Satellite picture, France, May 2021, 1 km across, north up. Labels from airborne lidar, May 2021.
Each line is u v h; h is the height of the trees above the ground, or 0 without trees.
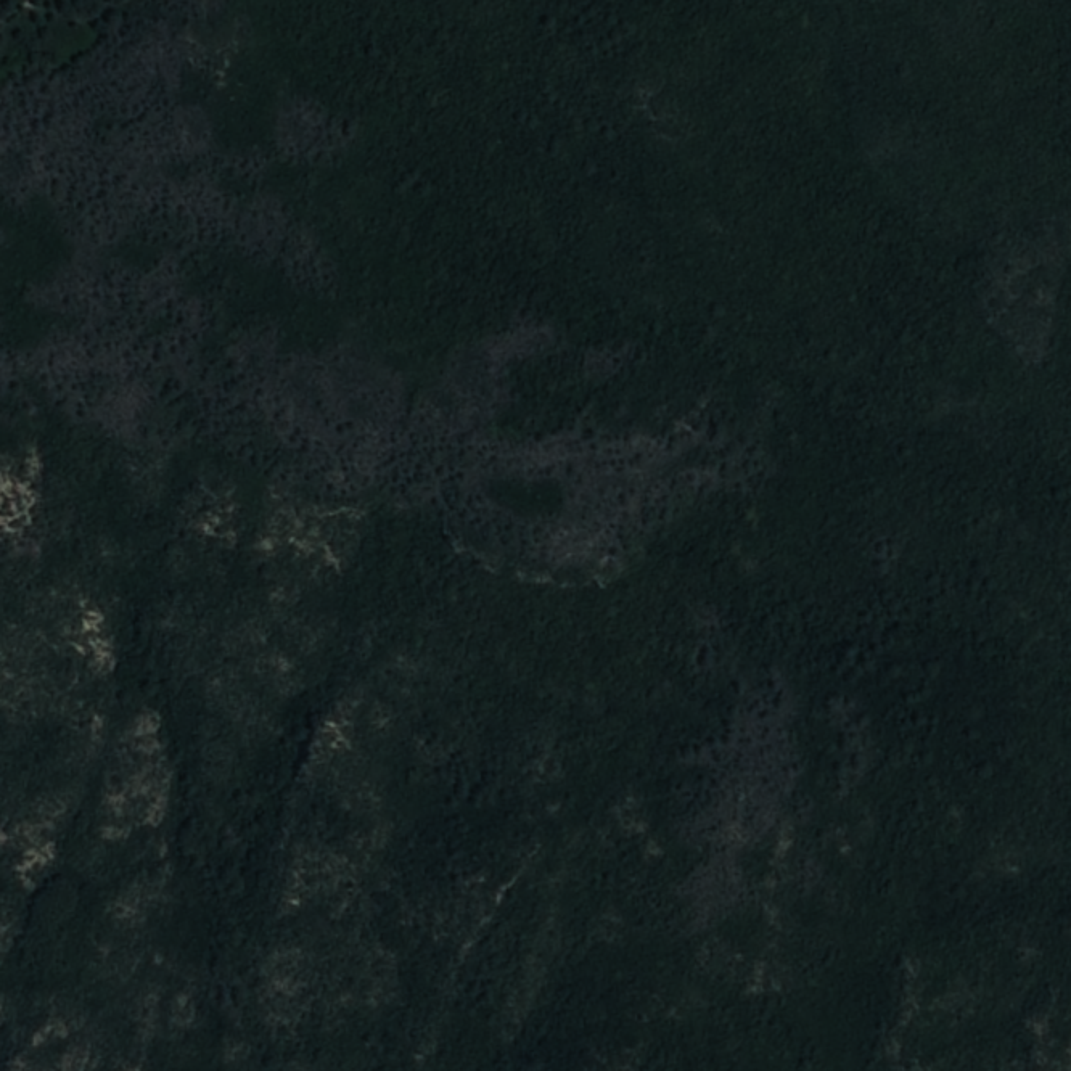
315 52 13
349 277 6
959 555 8
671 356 9
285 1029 10
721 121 6
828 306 8
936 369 8
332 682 8
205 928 8
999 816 9
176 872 6
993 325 7
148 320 11
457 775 15
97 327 9
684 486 16
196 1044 8
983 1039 7
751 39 8
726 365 23
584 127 8
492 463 16
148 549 8
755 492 9
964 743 8
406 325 8
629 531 15
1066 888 9
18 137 6
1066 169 9
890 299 14
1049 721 7
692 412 8
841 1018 6
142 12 7
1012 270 8
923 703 7
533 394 10
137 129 14
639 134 7
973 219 8
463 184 11
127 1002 6
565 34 10
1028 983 8
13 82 16
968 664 6
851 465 10
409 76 12
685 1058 8
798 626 18
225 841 22
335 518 7
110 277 17
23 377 10
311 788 6
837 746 6
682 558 15
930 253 17
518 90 11
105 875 6
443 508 18
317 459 17
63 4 18
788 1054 6
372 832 7
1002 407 12
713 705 11
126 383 21
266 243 11
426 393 7
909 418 7
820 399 15
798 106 9
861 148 6
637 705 14
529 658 7
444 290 12
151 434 21
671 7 8
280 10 7
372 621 7
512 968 20
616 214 8
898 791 8
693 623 14
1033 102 13
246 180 12
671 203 6
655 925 9
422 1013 7
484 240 14
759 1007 7
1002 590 8
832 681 7
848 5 7
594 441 17
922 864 10
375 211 6
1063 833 8
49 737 7
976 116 7
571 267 13
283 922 7
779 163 11
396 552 7
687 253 7
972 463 13
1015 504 9
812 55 10
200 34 0
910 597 11
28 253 6
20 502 12
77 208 7
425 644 6
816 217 12
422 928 14
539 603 6
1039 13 6
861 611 7
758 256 7
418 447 14
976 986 10
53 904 25
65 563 6
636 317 10
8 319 6
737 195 6
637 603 10
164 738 17
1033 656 9
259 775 16
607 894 8
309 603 6
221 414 18
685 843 6
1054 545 7
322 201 5
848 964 7
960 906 13
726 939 7
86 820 18
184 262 12
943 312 11
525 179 11
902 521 7
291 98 7
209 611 8
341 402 7
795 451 8
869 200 11
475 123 12
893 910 8
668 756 8
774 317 10
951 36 7
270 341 6
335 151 7
